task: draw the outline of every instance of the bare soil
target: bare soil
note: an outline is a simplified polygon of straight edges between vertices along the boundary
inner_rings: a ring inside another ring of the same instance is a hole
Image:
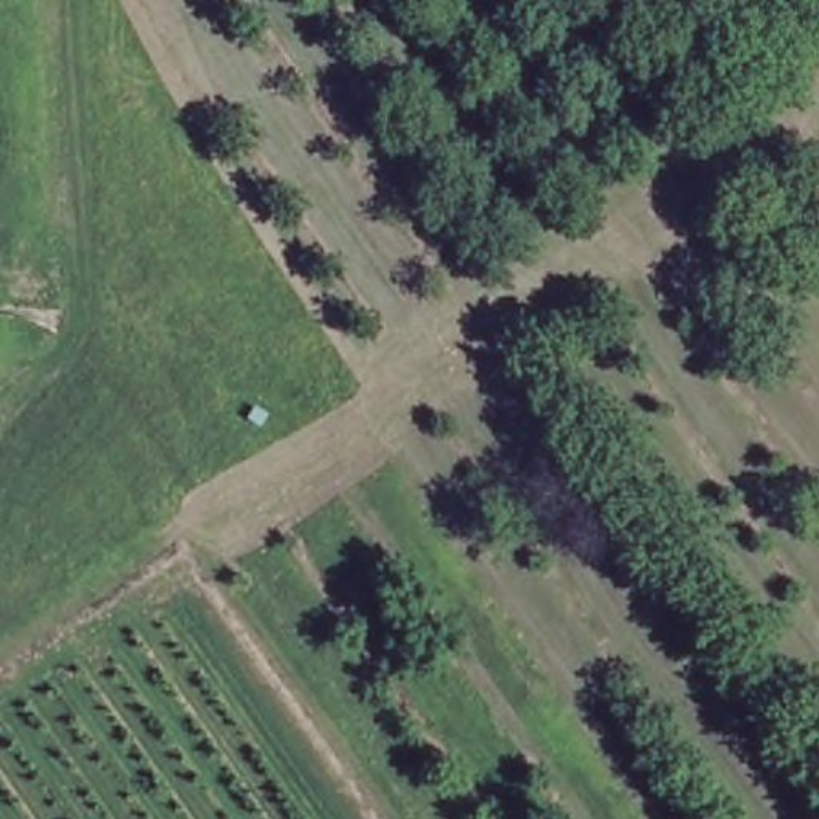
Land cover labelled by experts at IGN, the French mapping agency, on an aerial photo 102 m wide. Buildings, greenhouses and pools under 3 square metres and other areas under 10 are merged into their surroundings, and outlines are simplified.
[[[106,707],[115,726],[125,726],[131,717],[125,710],[106,691],[106,678],[93,685],[96,701]]]

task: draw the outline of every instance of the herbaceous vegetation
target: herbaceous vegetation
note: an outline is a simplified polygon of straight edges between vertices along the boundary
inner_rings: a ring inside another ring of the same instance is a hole
[[[537,182],[528,176],[528,170],[512,154],[502,154],[493,166],[493,182],[515,195],[515,202],[534,195]]]
[[[493,138],[496,128],[473,106],[457,115],[461,131],[470,138]]]
[[[464,90],[464,74],[454,67],[451,54],[441,45],[422,45],[419,35],[394,13],[390,0],[355,0],[358,10],[365,10],[371,19],[378,19],[390,35],[403,42],[410,58],[422,61],[435,74],[445,99]]]
[[[621,96],[617,106],[633,118],[640,131],[656,128],[659,112],[640,93],[630,93]]]
[[[547,58],[537,51],[521,64],[521,86],[528,96],[534,96],[541,77],[550,70]]]
[[[441,298],[419,298],[425,288],[422,282],[429,266],[441,259],[448,266],[461,256],[457,243],[448,234],[429,230],[422,221],[419,186],[432,173],[432,166],[416,154],[384,150],[381,131],[374,125],[378,99],[362,86],[362,67],[352,61],[349,42],[336,35],[339,13],[323,10],[310,16],[301,0],[262,0],[262,38],[269,45],[269,54],[256,54],[253,48],[234,45],[237,29],[230,22],[230,13],[237,10],[237,3],[246,0],[0,0],[0,291],[10,288],[13,294],[19,294],[22,307],[58,310],[58,330],[42,330],[26,317],[6,317],[0,323],[0,819],[278,819],[262,797],[262,784],[269,781],[278,784],[278,793],[298,813],[298,819],[688,819],[688,813],[675,806],[672,797],[662,797],[653,787],[649,771],[637,765],[637,745],[630,742],[627,729],[611,710],[608,681],[617,672],[624,672],[624,662],[633,662],[646,672],[646,697],[653,704],[672,704],[672,720],[678,726],[678,736],[672,742],[694,745],[713,771],[710,784],[733,797],[742,809],[749,809],[752,819],[813,819],[809,797],[797,784],[790,784],[787,771],[771,755],[765,755],[761,742],[755,745],[749,739],[742,717],[752,713],[749,701],[717,691],[717,675],[697,649],[694,614],[672,605],[662,592],[646,589],[637,579],[630,563],[624,560],[621,541],[605,541],[595,563],[582,566],[573,553],[544,544],[541,531],[528,537],[521,547],[515,547],[515,557],[509,563],[493,563],[486,550],[477,560],[467,560],[461,537],[467,537],[473,525],[483,518],[480,496],[493,493],[496,486],[509,486],[521,477],[528,480],[537,470],[537,451],[547,445],[550,425],[531,410],[531,378],[512,378],[505,371],[502,330],[515,323],[518,301],[528,298],[534,310],[544,317],[592,298],[589,291],[582,291],[582,282],[576,275],[605,278],[608,288],[621,288],[621,298],[630,307],[637,307],[637,326],[630,336],[630,349],[611,346],[608,352],[595,355],[595,362],[585,358],[579,374],[624,400],[630,419],[643,419],[665,432],[665,464],[669,473],[675,473],[678,486],[701,486],[701,496],[717,505],[723,505],[726,493],[742,489],[745,509],[736,525],[739,547],[729,553],[717,544],[710,553],[726,560],[729,573],[749,589],[752,601],[761,601],[765,595],[784,598],[790,585],[797,589],[800,601],[787,614],[787,630],[774,640],[774,649],[781,656],[800,659],[803,665],[819,662],[819,541],[809,544],[800,537],[803,525],[793,512],[793,496],[813,483],[813,473],[819,473],[819,294],[806,298],[803,336],[797,336],[787,349],[797,358],[790,378],[758,374],[749,384],[710,374],[717,352],[733,342],[733,336],[723,326],[707,323],[704,307],[697,301],[697,285],[701,278],[717,272],[717,243],[710,237],[710,218],[717,205],[717,182],[723,176],[736,176],[742,163],[739,150],[729,144],[710,157],[688,157],[681,150],[669,150],[659,163],[653,189],[637,179],[608,186],[601,227],[592,237],[569,240],[553,230],[541,230],[534,237],[534,246],[541,253],[534,256],[534,262],[512,262],[512,275],[499,285],[480,285],[477,278],[451,278],[441,288]],[[234,112],[237,102],[253,112],[259,144],[253,150],[240,150],[230,160],[211,160],[208,125],[211,118]],[[266,195],[272,189],[272,179],[301,192],[298,224],[269,224],[272,205]],[[371,339],[355,339],[346,333],[352,304],[378,314],[381,326]],[[262,425],[250,419],[253,406],[266,410]],[[227,601],[266,646],[272,665],[301,694],[304,707],[323,726],[339,758],[355,765],[355,777],[358,784],[365,784],[362,797],[349,800],[336,787],[326,765],[317,758],[317,752],[294,726],[288,710],[256,675],[256,669],[240,653],[227,627],[214,617],[214,608],[202,595],[192,595],[192,582],[182,563],[170,566],[138,595],[131,592],[128,582],[138,579],[147,563],[176,553],[179,537],[189,541],[189,550],[198,560],[198,566],[214,582],[221,582]],[[387,640],[387,617],[378,595],[381,585],[374,582],[374,569],[381,560],[390,563],[400,553],[419,560],[467,614],[467,659],[454,659],[454,672],[445,681],[413,685],[400,672],[394,675],[400,681],[397,704],[406,697],[413,701],[408,712],[425,731],[424,745],[413,745],[394,710],[374,717],[368,704],[358,704],[358,694],[365,694],[368,685],[378,678],[381,649]],[[339,649],[330,640],[336,627],[349,621],[368,624],[362,656],[352,646]],[[230,726],[221,726],[195,701],[192,688],[186,685],[189,672],[198,672],[205,688],[234,717]],[[106,707],[96,701],[93,685],[106,678],[106,691],[125,710],[134,701],[144,704],[150,717],[157,717],[163,736],[144,736],[144,729],[131,717],[125,726],[115,726]],[[451,758],[454,752],[464,752],[470,758],[470,768],[483,781],[461,797],[445,797],[438,784],[422,784],[422,777],[425,768],[438,761],[438,755]],[[221,793],[221,768],[230,771],[234,784],[253,803],[253,813],[240,813]]]
[[[755,150],[765,154],[774,166],[787,163],[790,141],[797,134],[819,141],[819,74],[813,77],[806,109],[787,109],[781,128],[774,128],[771,134],[749,138]]]

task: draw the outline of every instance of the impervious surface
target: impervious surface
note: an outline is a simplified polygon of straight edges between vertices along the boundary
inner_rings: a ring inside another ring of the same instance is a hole
[[[10,288],[0,291],[0,323],[6,317],[26,317],[42,330],[58,330],[58,310],[22,307],[19,294],[13,294]]]

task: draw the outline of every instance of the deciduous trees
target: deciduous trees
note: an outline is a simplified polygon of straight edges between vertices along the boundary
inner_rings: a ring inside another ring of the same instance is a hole
[[[266,195],[272,205],[269,224],[298,224],[301,192],[272,179],[272,189]]]
[[[230,726],[234,717],[205,688],[198,672],[189,672],[186,685],[192,688],[195,701],[221,726]]]
[[[813,483],[793,496],[793,512],[803,525],[800,537],[809,544],[819,541],[819,473],[813,473]]]
[[[445,797],[461,797],[483,781],[470,768],[470,758],[464,752],[454,752],[451,758],[438,755],[438,761],[425,768],[422,777],[422,784],[438,784]]]
[[[253,813],[253,803],[234,784],[230,771],[221,768],[221,793],[240,813]]]
[[[253,150],[259,144],[253,112],[237,102],[234,112],[211,118],[208,125],[211,160],[230,160],[240,150]]]
[[[362,656],[368,624],[349,621],[336,627],[330,640],[339,649],[352,646]]]
[[[278,793],[278,784],[269,781],[262,784],[262,797],[278,819],[298,819],[298,813]]]
[[[358,10],[355,0],[301,0],[310,16],[323,10],[339,13],[336,35],[349,42],[352,61],[362,67],[362,86],[378,99],[374,125],[381,131],[384,150],[416,154],[432,166],[432,173],[419,186],[422,221],[429,230],[448,234],[457,243],[461,256],[448,266],[441,259],[429,266],[422,282],[425,288],[419,298],[441,298],[441,288],[451,278],[477,278],[480,285],[499,285],[512,275],[512,262],[534,262],[534,256],[541,253],[534,246],[534,237],[541,230],[553,230],[569,240],[592,237],[601,227],[608,186],[637,179],[653,189],[659,163],[669,150],[681,150],[688,157],[710,157],[729,144],[739,150],[742,163],[736,176],[723,176],[717,182],[717,205],[710,218],[710,237],[717,243],[717,272],[701,278],[697,285],[697,301],[704,307],[707,323],[723,326],[733,336],[733,342],[717,352],[710,374],[749,384],[758,374],[790,378],[797,358],[787,349],[797,336],[803,336],[806,298],[819,294],[819,141],[797,134],[790,141],[787,163],[774,166],[765,154],[755,150],[749,138],[771,134],[774,128],[781,128],[787,109],[806,109],[813,77],[819,74],[819,0],[390,0],[394,13],[419,35],[422,45],[441,45],[451,54],[454,67],[464,74],[464,90],[445,99],[435,74],[422,61],[410,58],[403,42],[390,35],[378,19],[371,19],[365,10]],[[521,86],[521,64],[537,51],[547,58],[550,70],[541,77],[534,96],[528,96]],[[640,93],[659,112],[656,128],[640,131],[633,118],[617,106],[621,96],[630,93]],[[470,138],[461,131],[457,115],[473,106],[496,128],[493,138]],[[528,170],[528,176],[537,182],[534,195],[515,202],[515,195],[493,182],[493,166],[502,154],[512,154]]]
[[[742,809],[733,797],[710,784],[713,771],[694,745],[672,742],[678,736],[678,726],[672,720],[672,704],[653,704],[646,697],[646,672],[633,662],[624,662],[624,672],[617,672],[608,681],[611,710],[627,729],[630,742],[637,745],[637,765],[649,771],[653,787],[662,797],[672,797],[675,806],[688,813],[688,819],[752,819],[749,809]]]
[[[150,717],[144,704],[134,701],[125,710],[131,717],[144,729],[144,736],[163,736],[157,717]]]
[[[355,339],[371,339],[381,326],[378,314],[352,304],[346,333]]]
[[[237,29],[234,45],[253,48],[256,54],[269,54],[269,45],[262,38],[262,0],[246,0],[237,3],[237,10],[230,13],[230,22]]]
[[[400,553],[390,563],[381,560],[374,569],[374,582],[381,585],[378,595],[387,617],[387,640],[381,649],[378,678],[368,685],[365,694],[358,694],[358,704],[368,704],[374,717],[394,710],[413,745],[424,745],[425,731],[408,712],[413,701],[406,697],[397,704],[400,681],[394,675],[400,672],[413,685],[445,681],[454,672],[454,659],[467,659],[467,614],[419,560]]]
[[[665,432],[643,419],[630,419],[624,400],[579,374],[585,358],[595,362],[595,355],[608,352],[611,346],[630,349],[630,336],[637,326],[637,307],[630,307],[621,298],[621,288],[608,288],[605,278],[576,275],[582,282],[582,291],[589,291],[592,298],[544,317],[534,310],[528,298],[518,301],[515,323],[502,330],[505,371],[512,378],[531,378],[531,410],[550,425],[547,445],[537,451],[537,470],[528,480],[521,477],[509,486],[496,486],[493,493],[480,496],[483,518],[473,525],[467,537],[461,537],[467,560],[477,560],[486,550],[493,563],[509,563],[515,557],[515,547],[521,547],[528,537],[541,531],[544,544],[573,553],[582,566],[595,563],[605,541],[621,541],[624,560],[630,563],[637,579],[646,589],[662,592],[672,605],[694,614],[697,649],[717,675],[717,691],[749,701],[752,713],[742,717],[749,739],[755,745],[761,742],[765,755],[771,755],[787,771],[790,784],[797,784],[809,797],[813,819],[819,819],[819,662],[803,665],[800,659],[781,656],[774,649],[774,640],[787,630],[787,614],[800,601],[797,589],[790,585],[784,598],[765,595],[761,601],[752,601],[749,589],[729,573],[726,560],[710,553],[717,544],[729,553],[739,547],[736,525],[745,509],[742,489],[726,493],[723,505],[717,505],[701,496],[701,486],[678,486],[675,473],[669,473],[665,464]]]

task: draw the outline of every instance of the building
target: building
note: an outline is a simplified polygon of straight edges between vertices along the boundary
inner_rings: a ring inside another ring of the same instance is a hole
[[[266,410],[253,406],[250,419],[262,425]]]

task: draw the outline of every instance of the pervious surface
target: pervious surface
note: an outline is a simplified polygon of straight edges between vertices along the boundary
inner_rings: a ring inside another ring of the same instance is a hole
[[[170,566],[182,563],[192,582],[192,595],[202,595],[214,608],[214,617],[227,627],[240,653],[256,669],[256,675],[288,710],[294,726],[317,752],[317,758],[326,765],[336,787],[349,800],[362,797],[365,784],[358,784],[355,777],[355,765],[339,758],[323,726],[304,707],[301,694],[272,665],[266,646],[227,601],[221,582],[214,582],[198,566],[198,560],[189,550],[189,541],[179,537],[176,553],[147,563],[138,579],[128,582],[131,592],[138,595]]]

